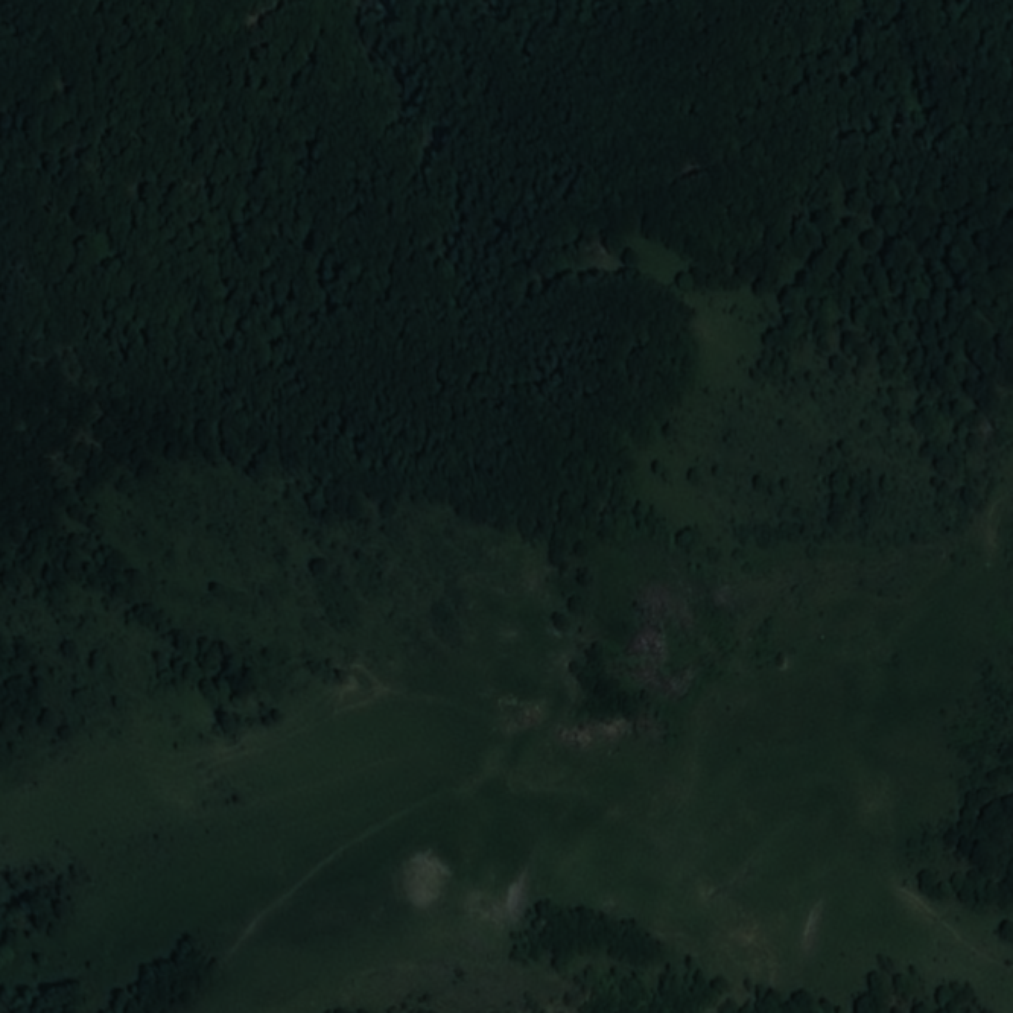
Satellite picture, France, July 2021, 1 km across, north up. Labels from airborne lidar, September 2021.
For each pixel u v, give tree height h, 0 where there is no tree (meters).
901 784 0
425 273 31
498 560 0
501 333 33
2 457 16
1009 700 6
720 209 32
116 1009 13
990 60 18
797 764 0
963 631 0
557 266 29
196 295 31
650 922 0
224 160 35
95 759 0
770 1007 28
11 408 13
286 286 32
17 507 13
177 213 29
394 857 0
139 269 36
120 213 30
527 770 0
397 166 32
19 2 25
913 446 9
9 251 26
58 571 16
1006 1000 0
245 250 35
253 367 33
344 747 0
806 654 0
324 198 36
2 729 8
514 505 23
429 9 24
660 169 34
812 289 27
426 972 0
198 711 0
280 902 0
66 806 0
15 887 14
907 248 30
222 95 32
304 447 26
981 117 27
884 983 23
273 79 33
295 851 0
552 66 31
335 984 0
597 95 32
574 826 0
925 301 18
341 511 14
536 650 0
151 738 0
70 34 29
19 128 18
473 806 0
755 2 31
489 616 0
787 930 0
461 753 0
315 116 38
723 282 11
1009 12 22
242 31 30
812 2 35
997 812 27
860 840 0
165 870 0
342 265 24
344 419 22
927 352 16
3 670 13
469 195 33
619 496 22
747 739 0
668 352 30
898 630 0
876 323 25
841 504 14
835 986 0
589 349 26
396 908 0
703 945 0
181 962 18
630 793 0
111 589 10
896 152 35
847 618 0
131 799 0
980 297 34
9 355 19
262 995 0
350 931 0
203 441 17
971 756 10
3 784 0
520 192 31
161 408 10
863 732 0
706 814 0
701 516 0
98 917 0
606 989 7
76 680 8
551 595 0
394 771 0
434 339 35
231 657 15
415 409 27
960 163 36
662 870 0
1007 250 31
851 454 8
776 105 35
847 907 0
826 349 11
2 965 21
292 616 0
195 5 29
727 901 0
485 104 21
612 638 0
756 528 5
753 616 0
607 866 0
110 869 0
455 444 24
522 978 0
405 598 0
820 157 38
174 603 0
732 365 0
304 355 34
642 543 0
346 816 0
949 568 0
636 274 20
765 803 0
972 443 16
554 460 28
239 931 0
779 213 31
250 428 32
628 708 22
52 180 26
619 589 0
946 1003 20
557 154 27
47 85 25
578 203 32
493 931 0
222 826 0
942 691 0
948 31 22
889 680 0
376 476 22
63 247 30
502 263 30
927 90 28
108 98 19
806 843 0
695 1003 16
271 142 31
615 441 32
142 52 26
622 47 21
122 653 0
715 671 9
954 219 23
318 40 31
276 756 0
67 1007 15
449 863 0
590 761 0
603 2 12
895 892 0
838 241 27
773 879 0
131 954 0
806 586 6
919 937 0
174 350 30
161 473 7
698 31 23
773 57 36
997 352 28
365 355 32
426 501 10
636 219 20
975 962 0
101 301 32
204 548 0
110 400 9
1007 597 0
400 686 0
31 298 25
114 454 17
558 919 18
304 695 0
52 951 0
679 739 10
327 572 12
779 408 0
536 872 0
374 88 33
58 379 13
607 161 28
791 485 13
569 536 23
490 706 0
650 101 27
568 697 0
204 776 0
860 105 35
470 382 32
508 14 27
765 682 0
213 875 0
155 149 34
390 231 34
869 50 36
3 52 28
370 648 0
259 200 31
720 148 37
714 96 32
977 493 15
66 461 7
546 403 27
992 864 26
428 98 27
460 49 29
